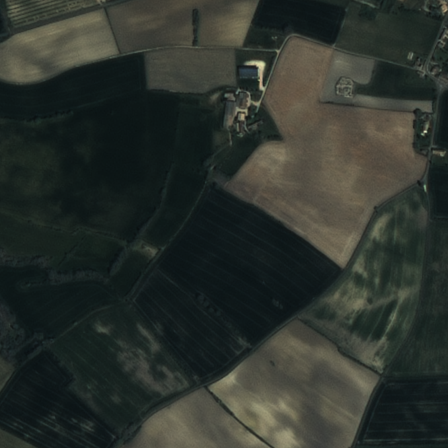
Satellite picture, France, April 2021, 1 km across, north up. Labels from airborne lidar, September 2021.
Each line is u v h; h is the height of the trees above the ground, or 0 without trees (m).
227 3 0
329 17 0
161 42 0
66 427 0
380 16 0
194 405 0
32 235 0
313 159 0
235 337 0
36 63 0
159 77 0
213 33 0
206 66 0
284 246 0
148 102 0
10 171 0
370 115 0
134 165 0
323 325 0
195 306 0
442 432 0
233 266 0
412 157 0
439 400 0
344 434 0
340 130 0
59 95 0
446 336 0
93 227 0
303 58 0
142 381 0
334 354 0
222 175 16
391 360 0
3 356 16
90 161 0
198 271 0
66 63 0
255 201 0
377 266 0
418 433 0
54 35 0
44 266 17
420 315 0
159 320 0
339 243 0
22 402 0
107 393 0
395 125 0
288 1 0
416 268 0
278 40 0
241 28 0
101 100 0
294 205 0
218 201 0
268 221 0
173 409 0
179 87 0
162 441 0
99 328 0
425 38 0
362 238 0
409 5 0
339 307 0
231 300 0
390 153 0
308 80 0
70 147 0
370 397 0
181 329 0
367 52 0
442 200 0
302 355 0
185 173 0
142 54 0
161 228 0
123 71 0
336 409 0
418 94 0
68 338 0
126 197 0
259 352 0
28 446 0
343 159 0
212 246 0
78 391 0
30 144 0
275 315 0
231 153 0
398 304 0
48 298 0
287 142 0
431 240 0
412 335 0
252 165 0
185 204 0
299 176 0
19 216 0
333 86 0
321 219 0
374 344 0
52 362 0
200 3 0
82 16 0
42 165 0
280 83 0
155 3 0
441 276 0
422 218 0
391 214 0
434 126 0
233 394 0
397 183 0
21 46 0
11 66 0
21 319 0
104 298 0
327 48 0
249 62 0
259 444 0
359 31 0
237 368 0
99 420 0
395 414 0
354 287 0
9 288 0
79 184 0
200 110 0
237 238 0
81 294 0
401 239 0
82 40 0
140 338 0
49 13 0
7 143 0
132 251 12
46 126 0
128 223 0
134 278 0
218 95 0
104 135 0
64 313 0
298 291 0
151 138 0
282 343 0
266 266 0
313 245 0
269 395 0
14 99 0
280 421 0
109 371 0
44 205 0
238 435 0
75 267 0
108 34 0
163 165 0
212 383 0
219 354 0
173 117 0
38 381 0
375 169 0
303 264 0
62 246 0
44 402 0
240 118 0
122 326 0
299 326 0
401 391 0
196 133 0
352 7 0
